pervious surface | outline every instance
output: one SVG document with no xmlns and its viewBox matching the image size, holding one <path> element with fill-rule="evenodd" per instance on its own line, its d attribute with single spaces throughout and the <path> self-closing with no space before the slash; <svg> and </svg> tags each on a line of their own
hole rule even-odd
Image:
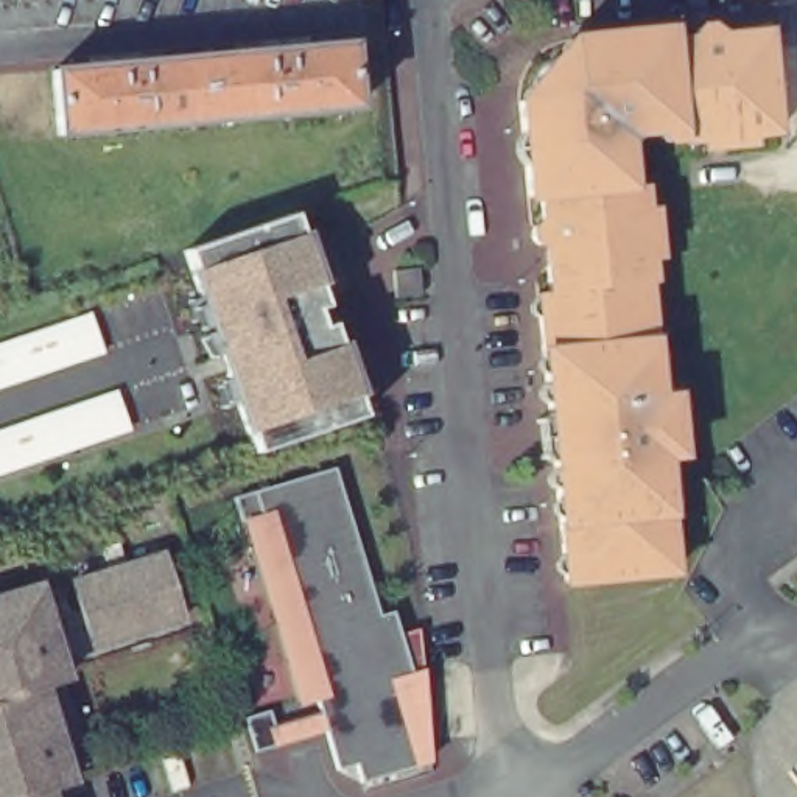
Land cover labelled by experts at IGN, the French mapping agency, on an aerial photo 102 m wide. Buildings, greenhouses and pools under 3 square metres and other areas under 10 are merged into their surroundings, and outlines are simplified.
<svg viewBox="0 0 797 797">
<path fill-rule="evenodd" d="M 781 137 L 781 149 L 763 159 L 750 159 L 747 165 L 741 165 L 741 159 L 735 159 L 729 149 L 710 153 L 697 165 L 700 171 L 691 181 L 694 187 L 750 184 L 763 193 L 797 193 L 797 53 L 785 62 L 788 109 L 778 115 L 775 137 Z"/>
</svg>

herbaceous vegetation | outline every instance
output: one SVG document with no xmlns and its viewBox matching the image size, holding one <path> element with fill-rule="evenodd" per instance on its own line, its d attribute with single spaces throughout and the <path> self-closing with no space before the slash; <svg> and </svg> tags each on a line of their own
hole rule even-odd
<svg viewBox="0 0 797 797">
<path fill-rule="evenodd" d="M 679 797 L 760 797 L 753 785 L 752 736 Z"/>
<path fill-rule="evenodd" d="M 738 691 L 725 700 L 743 724 L 757 716 L 757 691 L 738 685 Z"/>
<path fill-rule="evenodd" d="M 134 128 L 59 137 L 53 109 L 53 72 L 0 75 L 0 293 L 9 296 L 9 302 L 22 302 L 28 293 L 65 290 L 68 283 L 121 274 L 134 265 L 162 265 L 171 277 L 181 277 L 187 268 L 187 249 L 293 212 L 308 215 L 327 255 L 346 233 L 355 233 L 364 221 L 370 224 L 374 218 L 392 215 L 399 205 L 399 184 L 386 177 L 380 159 L 380 106 L 370 93 L 364 109 L 333 109 L 321 115 L 274 115 L 243 118 L 230 125 L 209 121 L 181 128 Z"/>
<path fill-rule="evenodd" d="M 50 498 L 44 492 L 50 492 L 50 476 L 40 464 L 0 476 L 0 523 L 9 523 L 12 529 L 25 532 L 37 526 L 37 511 L 50 507 Z"/>
<path fill-rule="evenodd" d="M 68 570 L 47 567 L 16 567 L 0 573 L 0 595 L 22 585 L 47 582 L 56 601 L 62 592 L 75 585 L 75 579 Z"/>
<path fill-rule="evenodd" d="M 125 436 L 59 455 L 53 461 L 72 476 L 121 470 L 125 483 L 140 483 L 143 476 L 174 476 L 174 467 L 181 464 L 196 464 L 209 451 L 233 448 L 249 439 L 240 423 L 240 414 L 224 411 L 212 420 L 205 414 L 190 411 L 190 420 L 181 423 L 181 433 L 171 433 L 165 427 L 137 430 L 131 423 L 131 433 Z"/>
<path fill-rule="evenodd" d="M 386 601 L 402 601 L 405 582 L 417 579 L 417 564 L 405 560 L 405 539 L 392 535 L 389 529 L 392 517 L 380 495 L 386 486 L 386 473 L 377 458 L 327 458 L 321 464 L 293 467 L 246 486 L 230 486 L 218 495 L 221 501 L 190 507 L 199 529 L 187 535 L 196 548 L 215 548 L 218 529 L 227 535 L 240 535 L 246 529 L 233 504 L 243 492 L 255 492 L 262 486 L 336 467 L 352 501 L 352 514 L 361 532 L 361 545 L 377 592 Z"/>
<path fill-rule="evenodd" d="M 542 53 L 535 62 L 529 59 L 517 84 L 517 103 L 526 100 L 526 93 L 535 87 L 542 65 L 554 59 L 548 53 Z"/>
<path fill-rule="evenodd" d="M 115 308 L 153 296 L 153 279 L 0 327 L 0 342 L 75 321 L 81 314 L 93 314 L 100 308 Z"/>
<path fill-rule="evenodd" d="M 128 523 L 131 545 L 121 548 L 128 564 L 159 551 L 168 551 L 174 560 L 181 554 L 174 532 L 184 526 L 171 507 L 165 495 L 156 495 L 153 511 Z"/>
<path fill-rule="evenodd" d="M 212 638 L 212 616 L 221 610 L 233 613 L 243 604 L 237 601 L 230 573 L 215 588 L 199 592 L 196 607 L 190 607 L 190 626 L 168 632 L 162 638 L 137 638 L 128 648 L 90 657 L 78 666 L 90 688 L 90 697 L 81 707 L 87 716 L 93 710 L 103 710 L 106 719 L 112 719 L 115 713 L 156 713 L 174 707 L 184 697 L 187 672 L 196 669 L 196 644 Z"/>
<path fill-rule="evenodd" d="M 669 258 L 663 268 L 660 302 L 669 339 L 672 386 L 691 395 L 694 417 L 694 458 L 682 464 L 688 573 L 700 564 L 697 548 L 710 545 L 710 526 L 722 520 L 729 501 L 741 498 L 738 476 L 722 486 L 713 483 L 713 455 L 729 455 L 732 448 L 738 448 L 738 439 L 753 433 L 760 423 L 766 423 L 772 414 L 778 414 L 797 399 L 797 193 L 763 193 L 750 184 L 694 187 L 691 181 L 679 168 L 676 143 L 663 137 L 644 140 L 644 174 L 657 187 L 657 202 L 666 209 L 669 221 Z"/>
<path fill-rule="evenodd" d="M 389 78 L 384 0 L 374 0 L 377 40 L 364 44 L 370 87 L 377 90 Z"/>
<path fill-rule="evenodd" d="M 570 651 L 560 654 L 560 676 L 539 694 L 542 719 L 551 725 L 564 725 L 573 716 L 579 716 L 595 697 L 601 697 L 613 682 L 641 672 L 663 651 L 669 651 L 676 638 L 700 626 L 704 616 L 691 601 L 688 576 L 585 588 L 570 585 Z"/>
</svg>

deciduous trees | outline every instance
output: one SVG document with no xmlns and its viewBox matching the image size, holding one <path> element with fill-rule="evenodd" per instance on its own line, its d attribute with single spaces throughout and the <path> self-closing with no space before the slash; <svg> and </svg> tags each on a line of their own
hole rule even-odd
<svg viewBox="0 0 797 797">
<path fill-rule="evenodd" d="M 227 535 L 218 529 L 215 548 L 196 548 L 181 554 L 174 560 L 184 601 L 190 607 L 196 607 L 199 592 L 215 588 L 230 573 L 233 560 L 240 560 L 249 548 L 246 529 L 240 535 Z"/>
<path fill-rule="evenodd" d="M 517 37 L 542 37 L 557 22 L 551 3 L 545 0 L 504 0 Z"/>
<path fill-rule="evenodd" d="M 196 669 L 187 672 L 184 697 L 174 707 L 156 713 L 115 713 L 112 719 L 106 719 L 103 710 L 93 710 L 87 716 L 84 744 L 90 750 L 90 766 L 81 769 L 87 781 L 140 769 L 153 772 L 162 760 L 177 760 L 184 750 L 193 750 L 196 757 L 215 757 L 237 738 L 249 729 L 252 713 L 249 669 L 265 666 L 268 641 L 262 638 L 255 610 L 243 604 L 233 613 L 221 610 L 212 616 L 212 638 L 196 644 Z"/>
<path fill-rule="evenodd" d="M 729 455 L 713 455 L 713 483 L 722 486 L 738 476 L 738 467 Z"/>
<path fill-rule="evenodd" d="M 455 28 L 448 47 L 451 65 L 464 81 L 464 93 L 492 97 L 495 81 L 501 78 L 501 62 L 473 37 L 473 31 Z"/>
<path fill-rule="evenodd" d="M 399 262 L 405 268 L 433 265 L 433 249 L 427 243 L 405 240 L 408 249 Z"/>
<path fill-rule="evenodd" d="M 0 523 L 0 573 L 16 567 L 47 567 L 68 570 L 75 579 L 103 570 L 103 554 L 109 545 L 121 542 L 121 548 L 131 545 L 128 523 L 153 511 L 156 495 L 165 495 L 171 507 L 177 501 L 187 501 L 190 507 L 221 501 L 218 495 L 230 486 L 246 486 L 293 467 L 321 464 L 327 458 L 377 458 L 380 430 L 374 417 L 336 430 L 330 436 L 290 442 L 277 451 L 255 451 L 249 439 L 233 448 L 209 451 L 196 464 L 181 464 L 174 467 L 174 476 L 143 476 L 140 483 L 125 483 L 121 470 L 72 476 L 53 461 L 40 464 L 50 476 L 50 492 L 44 492 L 50 498 L 50 507 L 37 511 L 37 526 L 25 532 L 12 529 L 9 523 Z"/>
</svg>

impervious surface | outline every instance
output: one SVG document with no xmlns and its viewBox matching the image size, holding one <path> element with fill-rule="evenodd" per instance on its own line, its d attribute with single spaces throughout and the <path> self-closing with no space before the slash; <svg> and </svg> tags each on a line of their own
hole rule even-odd
<svg viewBox="0 0 797 797">
<path fill-rule="evenodd" d="M 237 601 L 243 604 L 255 610 L 262 638 L 268 641 L 265 666 L 249 669 L 252 713 L 274 710 L 280 722 L 296 722 L 318 716 L 318 707 L 296 700 L 286 654 L 277 638 L 277 620 L 268 604 L 255 551 L 249 548 L 240 560 L 233 560 L 230 573 Z"/>
<path fill-rule="evenodd" d="M 277 44 L 364 44 L 377 40 L 374 0 L 0 0 L 0 75 L 53 72 L 84 62 L 221 53 Z"/>
<path fill-rule="evenodd" d="M 221 383 L 227 374 L 218 374 L 209 364 L 209 355 L 202 349 L 202 324 L 193 324 L 187 293 L 168 299 L 153 296 L 115 308 L 100 308 L 93 314 L 106 346 L 100 358 L 0 389 L 0 430 L 109 392 L 121 395 L 131 423 L 137 430 L 165 427 L 171 433 L 181 433 L 181 423 L 190 420 L 190 411 L 205 414 L 212 420 L 224 411 Z"/>
<path fill-rule="evenodd" d="M 78 679 L 59 688 L 59 704 L 81 769 L 90 766 L 90 750 L 84 744 L 87 716 L 81 707 L 90 697 L 90 688 L 78 666 Z"/>
<path fill-rule="evenodd" d="M 68 651 L 78 666 L 90 657 L 90 635 L 81 620 L 75 585 L 62 592 L 56 601 Z"/>
<path fill-rule="evenodd" d="M 707 22 L 725 22 L 732 28 L 775 25 L 781 31 L 785 62 L 797 53 L 797 0 L 545 0 L 551 3 L 557 22 L 542 37 L 517 37 L 504 0 L 384 0 L 389 78 L 377 90 L 370 87 L 370 93 L 380 106 L 380 159 L 386 177 L 399 184 L 399 205 L 392 215 L 374 218 L 370 224 L 364 221 L 355 233 L 346 233 L 327 255 L 336 296 L 333 321 L 346 324 L 349 336 L 361 352 L 370 380 L 374 417 L 380 430 L 377 458 L 386 473 L 386 486 L 380 495 L 392 517 L 389 529 L 392 535 L 405 539 L 405 560 L 417 564 L 417 579 L 405 582 L 402 601 L 411 601 L 416 627 L 423 629 L 427 638 L 436 738 L 433 766 L 423 769 L 414 760 L 411 766 L 367 775 L 367 785 L 358 788 L 352 778 L 333 769 L 327 741 L 321 735 L 283 747 L 274 741 L 258 744 L 255 753 L 246 753 L 237 738 L 215 757 L 196 757 L 193 750 L 184 750 L 177 760 L 162 760 L 153 772 L 140 769 L 87 781 L 81 788 L 72 788 L 65 797 L 679 797 L 752 736 L 753 785 L 760 797 L 797 797 L 797 399 L 778 414 L 772 414 L 766 423 L 760 423 L 753 433 L 738 439 L 738 448 L 732 448 L 729 455 L 738 467 L 738 476 L 741 498 L 729 501 L 722 520 L 710 526 L 710 545 L 697 548 L 700 564 L 688 573 L 688 576 L 691 601 L 704 616 L 700 626 L 676 638 L 669 651 L 663 651 L 641 672 L 613 682 L 601 697 L 595 697 L 579 716 L 573 716 L 564 725 L 551 725 L 542 719 L 539 694 L 560 676 L 560 654 L 570 651 L 570 585 L 564 582 L 564 576 L 557 576 L 554 567 L 554 560 L 560 557 L 560 532 L 554 520 L 554 492 L 548 489 L 548 464 L 542 458 L 539 439 L 539 417 L 548 417 L 551 408 L 539 402 L 542 346 L 539 321 L 529 314 L 529 302 L 535 299 L 535 274 L 545 271 L 545 249 L 532 243 L 529 227 L 526 177 L 523 165 L 517 162 L 517 103 L 517 84 L 529 59 L 535 62 L 542 53 L 548 53 L 554 59 L 564 56 L 570 40 L 601 28 L 682 22 L 688 31 L 700 31 Z M 492 97 L 464 93 L 464 81 L 451 65 L 448 47 L 455 28 L 473 31 L 473 37 L 501 62 L 501 78 L 495 81 Z M 405 240 L 427 243 L 433 249 L 433 265 L 405 268 L 399 262 L 408 249 Z M 743 724 L 725 700 L 738 691 L 738 685 L 757 691 L 757 716 Z"/>
</svg>

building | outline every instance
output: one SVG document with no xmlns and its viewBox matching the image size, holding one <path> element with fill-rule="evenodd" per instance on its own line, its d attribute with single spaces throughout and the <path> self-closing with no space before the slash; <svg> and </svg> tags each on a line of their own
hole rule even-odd
<svg viewBox="0 0 797 797">
<path fill-rule="evenodd" d="M 81 314 L 75 321 L 0 342 L 0 389 L 100 358 L 106 346 L 93 314 Z"/>
<path fill-rule="evenodd" d="M 109 392 L 0 430 L 0 476 L 40 464 L 53 461 L 59 455 L 125 436 L 131 433 L 131 423 L 121 395 Z"/>
<path fill-rule="evenodd" d="M 277 451 L 290 442 L 330 436 L 336 430 L 374 417 L 370 380 L 361 352 L 349 336 L 346 324 L 333 321 L 336 296 L 327 255 L 308 215 L 293 212 L 187 249 L 187 268 L 196 283 L 196 290 L 187 293 L 193 324 L 202 324 L 202 349 L 209 355 L 209 364 L 218 374 L 227 374 L 221 383 L 224 411 L 240 414 L 240 423 L 249 439 L 255 451 Z"/>
<path fill-rule="evenodd" d="M 411 601 L 402 601 L 386 601 L 377 592 L 361 545 L 361 532 L 352 514 L 352 501 L 336 467 L 262 486 L 255 492 L 243 492 L 233 504 L 246 529 L 249 548 L 255 551 L 268 604 L 277 620 L 277 638 L 286 654 L 296 700 L 318 707 L 318 716 L 296 722 L 280 722 L 274 710 L 252 713 L 249 729 L 237 738 L 246 753 L 255 753 L 258 744 L 274 741 L 283 747 L 321 735 L 327 741 L 333 769 L 352 778 L 358 788 L 367 785 L 367 775 L 411 766 L 414 760 L 423 769 L 433 766 L 436 738 L 427 638 L 423 629 L 416 627 Z"/>
<path fill-rule="evenodd" d="M 47 582 L 22 585 L 0 595 L 0 797 L 65 797 L 72 788 L 81 788 L 87 781 L 81 769 L 59 704 L 59 688 L 78 679 L 78 666 L 68 651 L 56 601 Z"/>
<path fill-rule="evenodd" d="M 174 560 L 168 551 L 159 551 L 128 564 L 121 548 L 121 542 L 109 545 L 103 554 L 103 570 L 75 579 L 75 585 L 81 620 L 90 635 L 90 657 L 128 648 L 137 638 L 162 638 L 168 632 L 190 626 L 190 607 L 184 601 Z"/>
<path fill-rule="evenodd" d="M 554 560 L 554 567 L 557 576 L 564 576 L 564 582 L 570 585 L 585 588 L 688 576 L 688 573 L 682 464 L 694 458 L 694 417 L 691 395 L 672 386 L 669 339 L 660 302 L 663 268 L 669 258 L 669 221 L 666 209 L 657 202 L 657 187 L 644 174 L 644 140 L 663 137 L 676 143 L 707 146 L 710 153 L 729 149 L 760 146 L 766 137 L 775 137 L 778 115 L 788 109 L 785 62 L 781 31 L 775 25 L 732 28 L 725 22 L 707 22 L 700 31 L 688 31 L 682 22 L 601 28 L 570 40 L 564 56 L 554 59 L 542 65 L 535 87 L 526 93 L 526 100 L 517 103 L 517 162 L 523 165 L 526 177 L 529 227 L 532 243 L 545 249 L 545 271 L 535 274 L 535 299 L 529 302 L 529 314 L 539 321 L 542 346 L 539 402 L 551 408 L 548 417 L 539 417 L 539 439 L 542 458 L 548 464 L 548 489 L 554 492 L 554 520 L 560 532 L 560 557 Z"/>
<path fill-rule="evenodd" d="M 277 44 L 221 53 L 84 62 L 53 72 L 53 109 L 59 137 L 134 128 L 181 128 L 209 121 L 230 125 L 243 118 L 274 115 L 321 115 L 333 109 L 364 109 L 370 93 L 370 87 L 364 44 Z"/>
</svg>

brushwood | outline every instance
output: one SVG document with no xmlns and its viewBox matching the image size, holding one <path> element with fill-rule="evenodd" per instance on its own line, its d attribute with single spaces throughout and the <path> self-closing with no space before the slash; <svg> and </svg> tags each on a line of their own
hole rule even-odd
<svg viewBox="0 0 797 797">
<path fill-rule="evenodd" d="M 177 501 L 171 507 L 184 526 L 174 532 L 181 554 L 196 548 L 187 535 L 199 529 L 190 507 L 187 501 Z"/>
<path fill-rule="evenodd" d="M 121 274 L 68 283 L 65 290 L 28 293 L 22 302 L 9 302 L 9 296 L 0 293 L 0 327 L 153 279 L 153 296 L 168 299 L 187 293 L 196 290 L 196 283 L 187 268 L 181 277 L 171 277 L 162 265 L 134 265 Z"/>
<path fill-rule="evenodd" d="M 707 146 L 676 143 L 679 168 L 691 181 L 700 171 L 697 165 L 710 153 Z"/>
<path fill-rule="evenodd" d="M 760 146 L 729 149 L 735 159 L 741 159 L 741 165 L 747 165 L 750 159 L 763 159 L 781 149 L 781 137 L 775 137 L 766 137 Z"/>
</svg>

